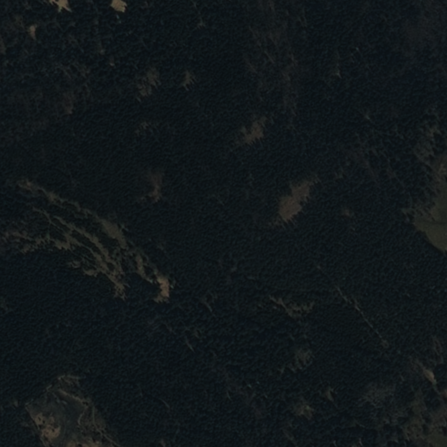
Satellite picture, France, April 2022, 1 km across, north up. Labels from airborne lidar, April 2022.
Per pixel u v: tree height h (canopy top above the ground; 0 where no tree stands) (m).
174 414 18
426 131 17
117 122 24
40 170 23
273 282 21
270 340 23
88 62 9
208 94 22
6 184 20
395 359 24
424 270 24
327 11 26
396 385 23
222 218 12
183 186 20
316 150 23
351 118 23
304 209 20
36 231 6
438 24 20
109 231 0
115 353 17
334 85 10
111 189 24
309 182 22
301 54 22
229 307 22
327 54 16
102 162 22
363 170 20
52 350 25
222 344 22
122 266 7
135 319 13
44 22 18
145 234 19
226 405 29
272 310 6
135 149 23
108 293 8
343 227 24
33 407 0
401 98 24
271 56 20
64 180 22
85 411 0
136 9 24
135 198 24
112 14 17
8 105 20
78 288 21
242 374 29
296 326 21
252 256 24
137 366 30
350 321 13
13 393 21
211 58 22
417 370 19
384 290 23
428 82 22
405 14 26
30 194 19
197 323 9
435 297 22
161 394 25
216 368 23
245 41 22
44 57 15
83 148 20
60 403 0
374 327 16
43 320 26
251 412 28
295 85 20
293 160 24
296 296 8
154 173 15
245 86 22
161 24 11
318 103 29
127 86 15
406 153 7
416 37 23
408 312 23
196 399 19
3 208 24
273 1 24
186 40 16
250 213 10
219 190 20
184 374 25
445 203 0
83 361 25
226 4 20
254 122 27
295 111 16
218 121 24
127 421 21
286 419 24
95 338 26
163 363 21
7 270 22
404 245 18
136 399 15
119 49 15
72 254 9
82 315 18
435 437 0
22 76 12
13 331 21
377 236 20
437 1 20
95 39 13
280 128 24
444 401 8
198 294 27
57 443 0
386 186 24
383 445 18
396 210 26
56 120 24
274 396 27
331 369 24
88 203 21
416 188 14
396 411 28
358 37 21
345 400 26
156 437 18
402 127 24
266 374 18
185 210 20
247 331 31
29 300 17
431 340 24
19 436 18
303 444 17
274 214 26
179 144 23
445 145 7
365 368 26
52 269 15
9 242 12
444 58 19
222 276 18
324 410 25
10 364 24
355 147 14
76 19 21
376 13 8
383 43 21
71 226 0
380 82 21
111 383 25
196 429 23
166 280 0
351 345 21
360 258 24
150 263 5
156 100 21
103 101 14
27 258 12
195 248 20
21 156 24
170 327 19
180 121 23
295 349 32
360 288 22
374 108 16
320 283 16
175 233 23
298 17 20
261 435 21
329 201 24
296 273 25
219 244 22
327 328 14
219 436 22
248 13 22
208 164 25
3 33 17
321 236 23
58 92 16
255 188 21
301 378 22
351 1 23
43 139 23
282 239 17
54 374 21
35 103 17
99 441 0
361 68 16
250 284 20
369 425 27
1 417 22
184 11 18
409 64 20
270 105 24
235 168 18
